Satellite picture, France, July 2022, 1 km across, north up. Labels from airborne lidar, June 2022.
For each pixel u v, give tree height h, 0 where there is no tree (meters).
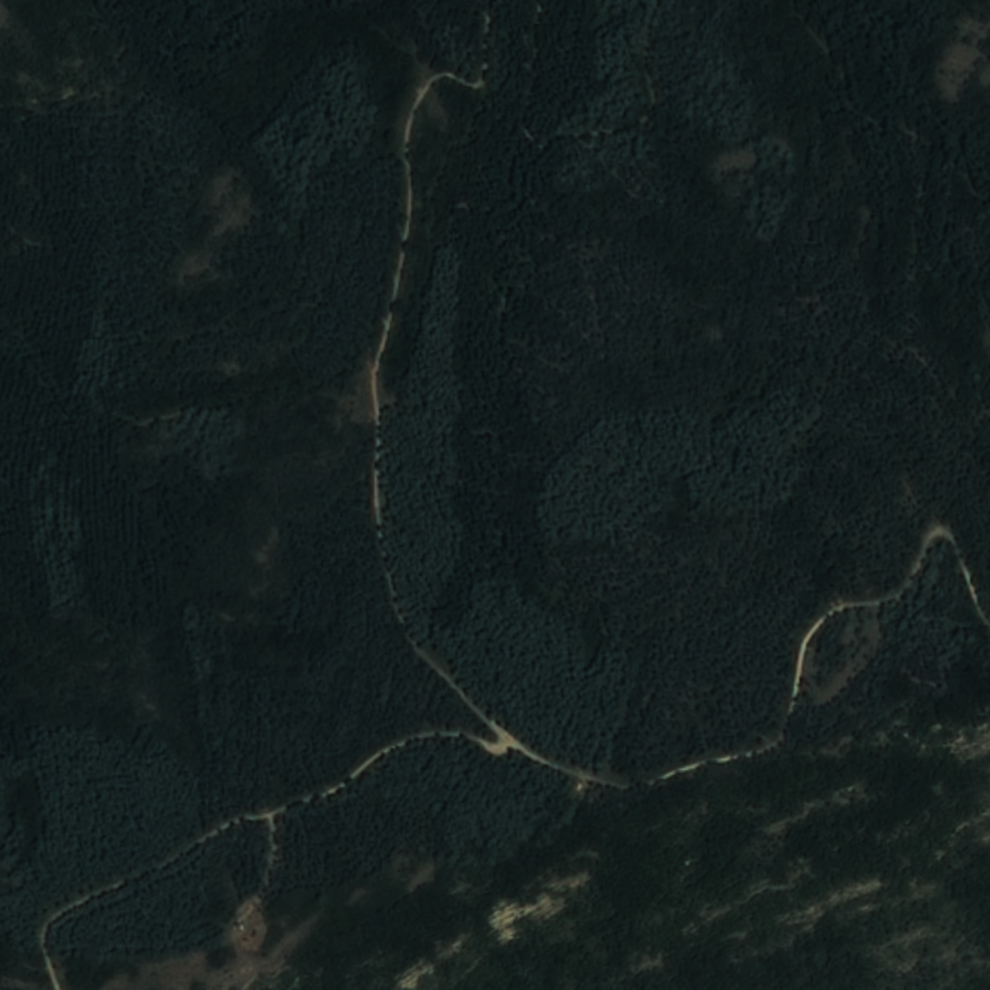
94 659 6
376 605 15
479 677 16
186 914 11
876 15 21
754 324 13
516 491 9
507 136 19
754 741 9
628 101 19
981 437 10
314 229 15
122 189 15
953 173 8
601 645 11
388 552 16
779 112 13
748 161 0
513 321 18
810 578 19
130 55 8
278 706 11
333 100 22
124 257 16
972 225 13
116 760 14
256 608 6
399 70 7
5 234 12
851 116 20
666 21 10
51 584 16
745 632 15
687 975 15
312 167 17
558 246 11
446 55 17
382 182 16
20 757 18
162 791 13
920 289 9
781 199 13
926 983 9
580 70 20
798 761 10
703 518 12
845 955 7
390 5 9
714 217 11
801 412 17
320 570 11
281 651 6
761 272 9
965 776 7
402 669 15
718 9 11
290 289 8
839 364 13
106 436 20
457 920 11
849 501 17
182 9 17
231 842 10
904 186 19
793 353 14
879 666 14
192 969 0
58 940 11
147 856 13
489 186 17
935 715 9
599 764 17
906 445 16
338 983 10
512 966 10
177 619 9
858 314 11
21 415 14
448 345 16
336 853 11
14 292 13
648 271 16
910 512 8
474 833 19
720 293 6
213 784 12
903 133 17
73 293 19
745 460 17
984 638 16
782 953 9
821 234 14
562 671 18
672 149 13
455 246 16
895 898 7
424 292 9
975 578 11
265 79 10
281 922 0
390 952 10
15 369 18
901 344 17
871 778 10
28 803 7
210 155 10
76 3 11
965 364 8
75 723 6
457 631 14
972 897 17
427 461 17
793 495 17
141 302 15
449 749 18
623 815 7
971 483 16
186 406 10
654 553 8
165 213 16
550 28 17
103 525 18
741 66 9
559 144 16
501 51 12
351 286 13
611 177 16
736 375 12
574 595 15
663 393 11
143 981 0
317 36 11
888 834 10
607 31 13
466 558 19
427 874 0
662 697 14
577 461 17
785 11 15
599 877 9
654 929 9
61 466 8
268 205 11
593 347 12
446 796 19
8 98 10
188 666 7
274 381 8
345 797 16
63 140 13
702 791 6
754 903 9
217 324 12
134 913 11
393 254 14
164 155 13
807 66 9
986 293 19
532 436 8
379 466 10
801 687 8
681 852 8
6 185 15
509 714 18
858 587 9
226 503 7
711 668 13
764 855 9
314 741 11
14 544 12
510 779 19
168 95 10
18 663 14
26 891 12
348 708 11
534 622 20
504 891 11
